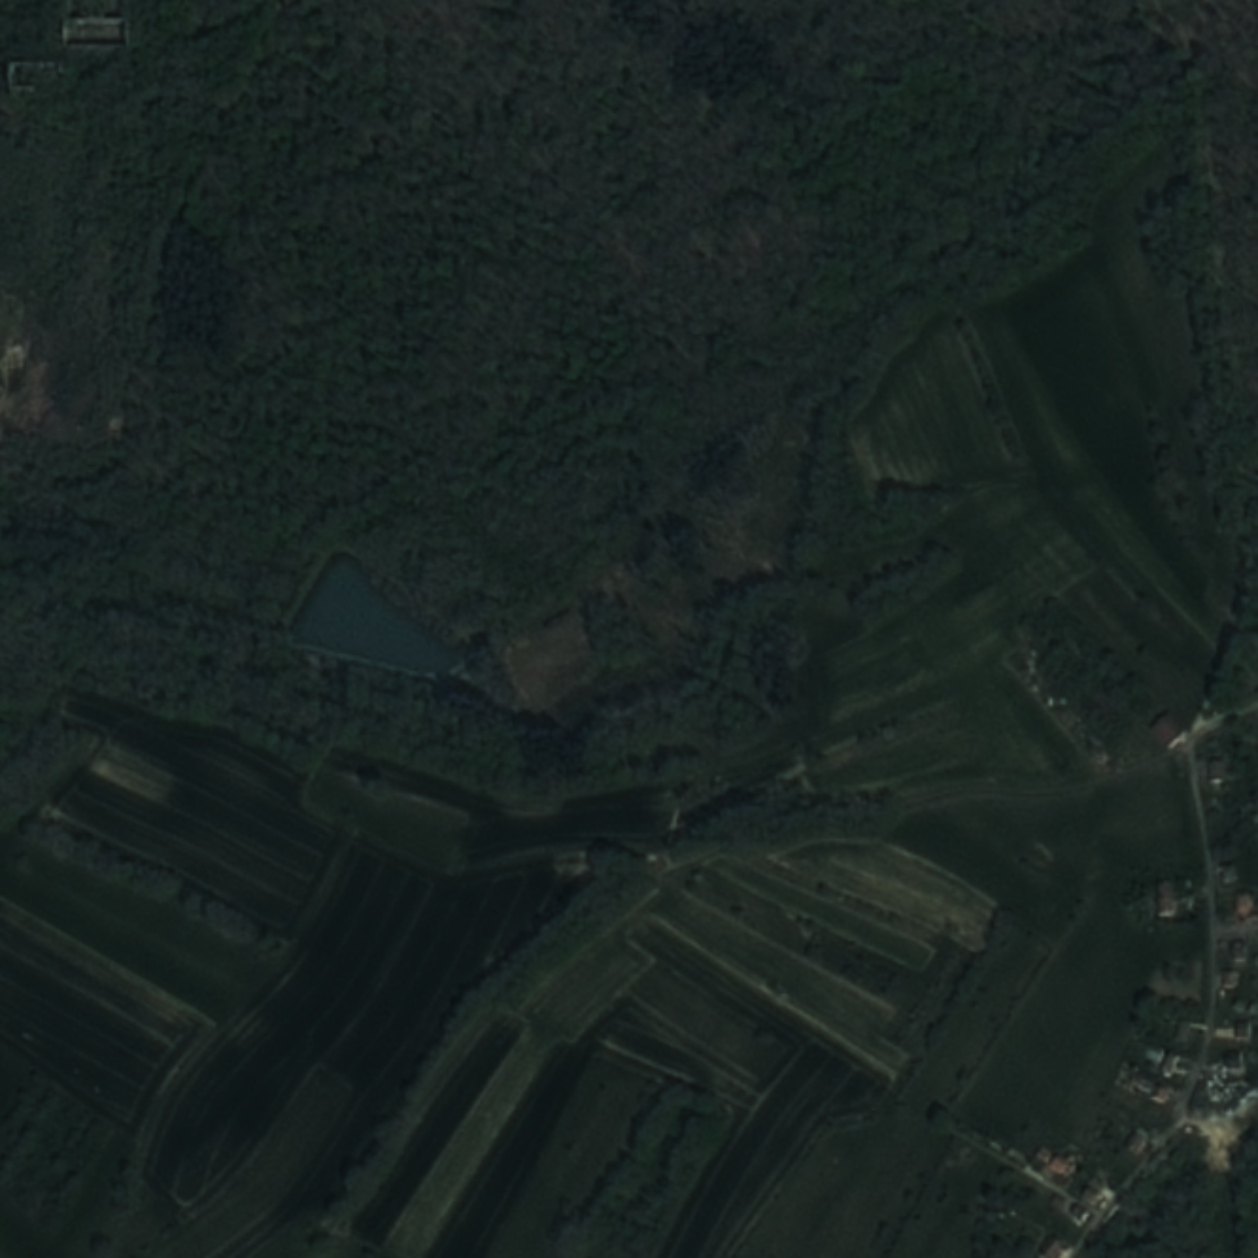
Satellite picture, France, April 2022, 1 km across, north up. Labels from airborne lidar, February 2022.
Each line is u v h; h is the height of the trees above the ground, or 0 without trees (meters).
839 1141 0
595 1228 25
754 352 27
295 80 29
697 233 30
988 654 0
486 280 28
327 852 0
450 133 25
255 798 0
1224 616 0
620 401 31
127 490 26
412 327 24
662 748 0
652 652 28
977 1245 12
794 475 0
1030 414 0
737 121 33
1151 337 0
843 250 29
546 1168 0
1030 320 0
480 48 28
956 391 0
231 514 27
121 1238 0
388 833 0
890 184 23
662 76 30
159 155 17
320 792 0
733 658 19
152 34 15
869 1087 0
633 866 22
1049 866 0
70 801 0
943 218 22
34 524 24
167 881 22
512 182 31
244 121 25
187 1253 0
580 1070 0
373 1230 0
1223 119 28
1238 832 7
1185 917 6
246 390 22
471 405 27
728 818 22
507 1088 0
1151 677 0
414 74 31
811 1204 0
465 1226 0
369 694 26
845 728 0
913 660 0
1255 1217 18
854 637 0
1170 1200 29
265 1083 0
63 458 19
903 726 9
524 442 21
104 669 27
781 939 0
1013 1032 0
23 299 0
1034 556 0
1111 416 0
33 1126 7
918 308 26
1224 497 19
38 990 0
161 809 0
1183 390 0
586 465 24
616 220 31
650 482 27
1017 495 0
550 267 27
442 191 24
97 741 0
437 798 0
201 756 0
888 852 0
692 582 0
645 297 30
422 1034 0
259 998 0
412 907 0
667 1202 20
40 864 0
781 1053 0
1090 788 0
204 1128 0
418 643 0
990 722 0
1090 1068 0
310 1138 0
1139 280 0
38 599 34
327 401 25
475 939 0
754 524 0
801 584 14
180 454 28
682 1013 0
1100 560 0
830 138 30
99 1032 0
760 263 32
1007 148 30
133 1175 16
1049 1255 0
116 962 0
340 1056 0
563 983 0
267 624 23
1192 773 0
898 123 28
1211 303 24
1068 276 0
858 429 0
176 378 27
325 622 0
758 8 30
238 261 24
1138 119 27
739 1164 0
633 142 26
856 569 0
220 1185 0
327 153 31
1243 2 31
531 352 27
